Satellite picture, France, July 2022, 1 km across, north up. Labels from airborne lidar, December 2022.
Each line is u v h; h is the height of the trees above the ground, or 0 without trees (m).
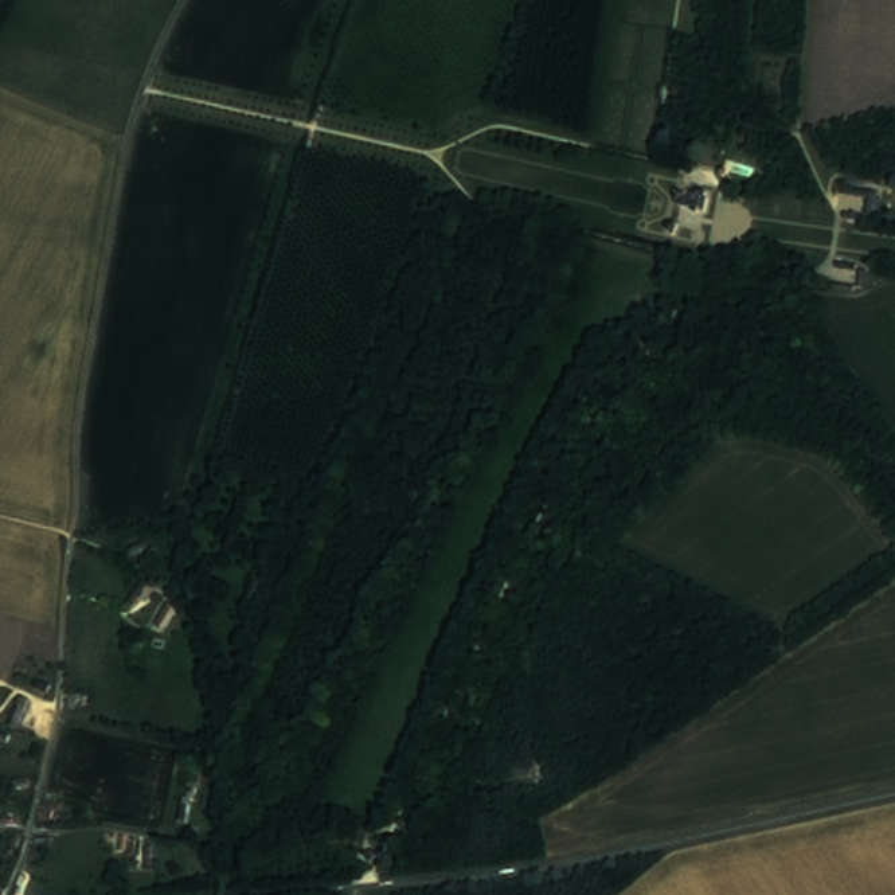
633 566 15
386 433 22
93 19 0
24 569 0
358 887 0
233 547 28
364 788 0
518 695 19
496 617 31
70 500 0
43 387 0
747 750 0
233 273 0
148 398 0
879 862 0
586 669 18
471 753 25
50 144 0
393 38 0
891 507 15
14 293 0
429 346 20
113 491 0
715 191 0
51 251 0
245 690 29
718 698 20
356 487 26
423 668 0
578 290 23
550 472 34
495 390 28
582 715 19
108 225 0
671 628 21
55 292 0
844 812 0
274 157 0
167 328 0
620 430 18
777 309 25
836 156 18
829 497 0
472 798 16
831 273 0
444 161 0
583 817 0
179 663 0
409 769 34
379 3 0
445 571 0
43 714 0
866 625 0
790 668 0
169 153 0
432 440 23
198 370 0
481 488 0
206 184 0
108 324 0
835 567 0
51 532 0
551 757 15
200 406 0
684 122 24
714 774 0
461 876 0
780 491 0
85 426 0
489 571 29
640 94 0
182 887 20
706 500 0
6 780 11
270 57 0
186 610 20
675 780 0
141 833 0
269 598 25
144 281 0
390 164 14
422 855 25
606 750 14
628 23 0
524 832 11
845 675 0
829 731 0
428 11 0
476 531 0
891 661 0
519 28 20
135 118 0
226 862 26
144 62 0
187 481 0
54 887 0
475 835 19
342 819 30
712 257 30
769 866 0
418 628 0
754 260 41
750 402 22
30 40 0
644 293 0
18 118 0
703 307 31
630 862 16
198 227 0
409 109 0
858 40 0
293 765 36
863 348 0
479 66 0
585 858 0
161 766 0
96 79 0
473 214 25
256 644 28
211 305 0
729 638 20
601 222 0
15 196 0
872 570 15
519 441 0
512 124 0
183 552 25
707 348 27
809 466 0
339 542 19
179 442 0
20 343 0
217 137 0
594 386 32
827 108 0
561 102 25
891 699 0
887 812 0
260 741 29
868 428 22
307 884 19
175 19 0
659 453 23
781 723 0
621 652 17
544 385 0
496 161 0
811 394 19
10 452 0
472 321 20
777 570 0
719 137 25
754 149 17
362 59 0
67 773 0
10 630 0
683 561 0
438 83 0
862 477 15
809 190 24
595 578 17
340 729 23
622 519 21
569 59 27
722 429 22
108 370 0
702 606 19
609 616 17
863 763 0
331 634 16
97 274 0
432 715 27
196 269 0
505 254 25
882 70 0
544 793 12
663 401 23
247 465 27
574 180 0
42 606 0
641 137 0
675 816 0
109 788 0
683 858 0
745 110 16
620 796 0
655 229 0
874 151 19
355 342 16
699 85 19
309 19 0
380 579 33
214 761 33
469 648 30
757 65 0
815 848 0
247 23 0
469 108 0
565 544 28
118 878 17
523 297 31
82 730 0
